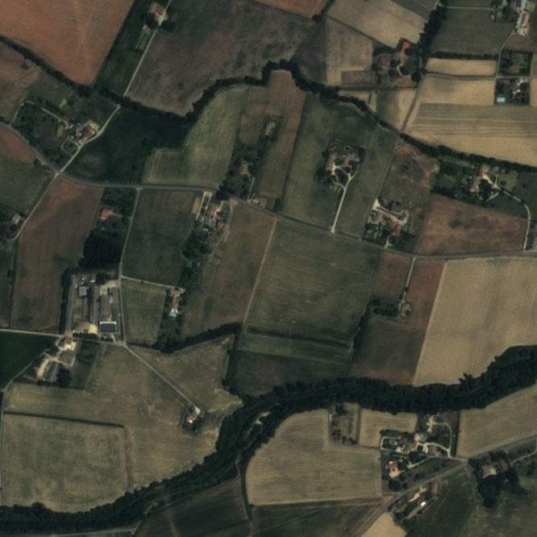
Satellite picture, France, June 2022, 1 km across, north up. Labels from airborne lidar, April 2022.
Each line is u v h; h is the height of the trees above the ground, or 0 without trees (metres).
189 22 0
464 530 0
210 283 0
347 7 0
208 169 0
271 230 0
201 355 0
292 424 0
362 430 0
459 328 0
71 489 0
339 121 0
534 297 0
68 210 0
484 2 0
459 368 0
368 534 0
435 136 0
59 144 0
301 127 0
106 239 17
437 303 0
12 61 0
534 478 0
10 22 0
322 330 0
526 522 0
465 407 16
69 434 0
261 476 0
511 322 0
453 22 0
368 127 0
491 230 0
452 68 0
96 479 0
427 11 0
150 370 0
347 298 0
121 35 7
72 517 10
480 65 0
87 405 0
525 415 0
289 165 0
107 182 0
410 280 0
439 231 0
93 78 0
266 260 0
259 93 0
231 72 0
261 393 0
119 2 0
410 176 0
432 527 0
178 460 0
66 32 0
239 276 0
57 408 0
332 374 0
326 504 0
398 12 0
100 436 0
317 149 0
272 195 0
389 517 0
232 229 0
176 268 0
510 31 0
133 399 0
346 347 0
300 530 0
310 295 0
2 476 0
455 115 0
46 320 0
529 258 0
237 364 0
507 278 0
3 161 0
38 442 0
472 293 0
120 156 0
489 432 0
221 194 15
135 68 0
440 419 0
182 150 0
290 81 0
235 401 0
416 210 0
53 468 0
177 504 0
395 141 0
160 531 0
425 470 0
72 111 0
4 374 0
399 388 15
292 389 27
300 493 0
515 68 0
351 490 0
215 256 0
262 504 0
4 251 0
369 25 0
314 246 0
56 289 0
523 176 0
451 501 0
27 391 0
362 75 0
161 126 0
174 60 0
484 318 0
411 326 0
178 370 0
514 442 0
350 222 0
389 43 0
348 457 0
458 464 0
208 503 0
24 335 0
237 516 0
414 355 0
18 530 12
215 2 0
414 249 0
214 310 0
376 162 0
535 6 0
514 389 30
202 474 11
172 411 0
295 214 0
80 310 0
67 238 0
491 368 11
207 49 0
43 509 23
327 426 0
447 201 0
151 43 0
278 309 0
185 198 0
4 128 0
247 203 0
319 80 0
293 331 0
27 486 0
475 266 0
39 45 0
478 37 0
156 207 0
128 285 0
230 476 0
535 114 0
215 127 0
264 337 0
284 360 0
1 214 11
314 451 0
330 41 0
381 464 0
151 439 0
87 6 0
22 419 0
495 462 10
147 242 0
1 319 0
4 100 0
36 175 0
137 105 21
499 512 0
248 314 0
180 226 0
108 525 15
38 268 0
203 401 0
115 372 0
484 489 13
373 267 0
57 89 0
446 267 0
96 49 0
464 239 0
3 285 0
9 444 0
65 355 0
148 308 0
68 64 0
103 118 0
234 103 0
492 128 0
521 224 0
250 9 0
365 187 0
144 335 0
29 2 0
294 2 0
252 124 0
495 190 6
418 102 0
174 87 0
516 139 0
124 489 0
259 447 15
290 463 0
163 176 0
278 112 0
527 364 10
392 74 11
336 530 0
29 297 0
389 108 0
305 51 0
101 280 10
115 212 0
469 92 0
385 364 0
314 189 0
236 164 8
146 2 0
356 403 11
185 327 0
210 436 0
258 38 0
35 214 0
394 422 0
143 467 0
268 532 0
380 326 0
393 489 17
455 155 12
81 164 0
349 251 0
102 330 0
